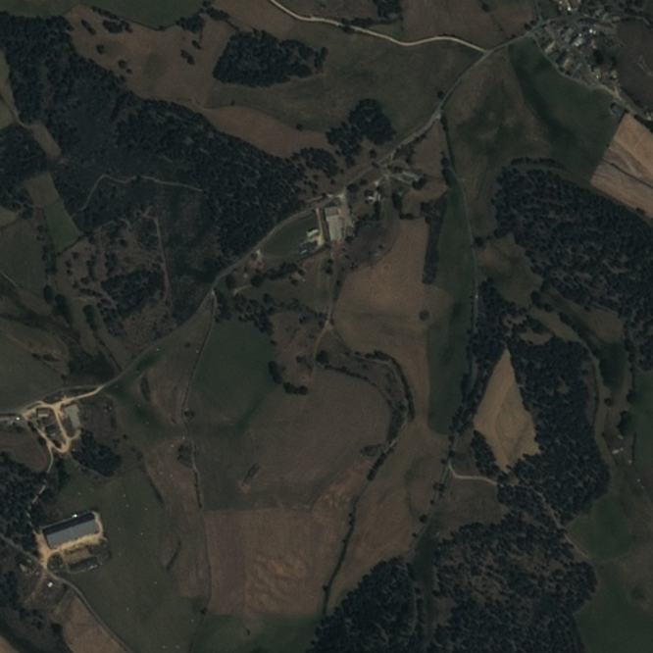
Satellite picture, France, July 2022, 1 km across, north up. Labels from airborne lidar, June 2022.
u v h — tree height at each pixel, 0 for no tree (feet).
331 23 0
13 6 0
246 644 0
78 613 0
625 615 0
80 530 0
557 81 0
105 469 45
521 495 57
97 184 0
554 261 45
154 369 0
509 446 0
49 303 30
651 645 0
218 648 0
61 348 0
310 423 0
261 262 0
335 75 0
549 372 54
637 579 0
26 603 0
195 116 61
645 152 0
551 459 55
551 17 0
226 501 0
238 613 0
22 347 0
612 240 24
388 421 0
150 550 0
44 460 0
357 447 0
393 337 0
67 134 52
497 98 0
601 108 0
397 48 0
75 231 0
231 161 38
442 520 0
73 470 0
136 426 0
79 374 0
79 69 55
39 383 0
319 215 0
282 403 0
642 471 0
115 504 0
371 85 0
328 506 0
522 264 0
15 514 47
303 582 0
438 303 0
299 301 22
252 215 57
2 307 0
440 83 0
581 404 44
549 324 0
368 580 58
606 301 42
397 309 0
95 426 0
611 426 0
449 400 0
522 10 0
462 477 0
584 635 0
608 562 0
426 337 0
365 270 0
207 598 0
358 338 0
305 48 43
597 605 0
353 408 0
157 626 0
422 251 0
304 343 0
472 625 69
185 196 0
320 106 0
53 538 0
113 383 0
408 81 0
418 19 0
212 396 0
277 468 0
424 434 0
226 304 43
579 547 0
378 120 55
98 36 0
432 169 0
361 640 39
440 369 0
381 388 0
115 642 0
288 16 0
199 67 0
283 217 39
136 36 0
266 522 0
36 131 0
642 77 0
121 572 0
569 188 68
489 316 37
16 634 0
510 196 44
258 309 24
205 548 0
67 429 0
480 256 0
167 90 0
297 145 0
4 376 0
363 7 0
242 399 0
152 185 0
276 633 0
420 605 52
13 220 0
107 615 0
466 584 0
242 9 0
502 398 0
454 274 0
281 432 0
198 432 0
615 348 0
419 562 0
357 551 0
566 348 63
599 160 0
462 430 37
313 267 0
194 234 0
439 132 0
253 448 0
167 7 0
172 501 0
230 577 0
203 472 0
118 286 39
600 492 58
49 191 0
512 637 47
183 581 0
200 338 0
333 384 0
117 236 29
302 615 0
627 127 0
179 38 0
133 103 59
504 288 0
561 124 0
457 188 0
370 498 0
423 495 0
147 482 0
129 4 0
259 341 0
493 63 0
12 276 0
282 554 0
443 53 0
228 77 60
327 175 38
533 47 0
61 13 0
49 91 0
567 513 44
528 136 0
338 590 0
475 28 0
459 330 0
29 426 31
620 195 0
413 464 0
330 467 0
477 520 0
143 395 0
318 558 0
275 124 0
